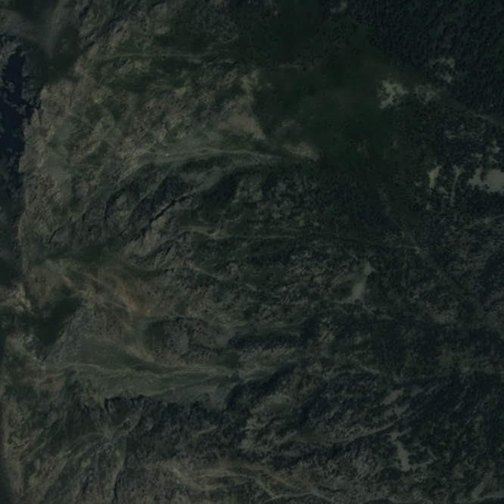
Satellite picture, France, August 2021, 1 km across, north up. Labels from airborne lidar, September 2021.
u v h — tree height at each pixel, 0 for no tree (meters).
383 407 10
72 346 0
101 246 0
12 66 0
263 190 6
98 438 0
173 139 0
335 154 0
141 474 0
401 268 9
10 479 0
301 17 0
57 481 0
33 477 0
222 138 0
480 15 12
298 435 0
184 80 0
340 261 7
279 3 0
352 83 0
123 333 0
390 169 0
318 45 0
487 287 6
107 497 0
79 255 0
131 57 0
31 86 0
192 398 0
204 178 0
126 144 0
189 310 0
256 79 0
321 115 0
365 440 6
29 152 0
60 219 0
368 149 0
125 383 0
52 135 0
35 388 0
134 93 0
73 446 0
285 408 0
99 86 0
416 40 10
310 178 7
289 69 0
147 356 0
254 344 7
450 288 8
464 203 0
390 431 6
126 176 0
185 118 0
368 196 6
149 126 0
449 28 10
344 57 0
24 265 0
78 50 0
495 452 8
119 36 0
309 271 9
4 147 0
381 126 0
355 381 7
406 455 0
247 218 0
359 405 9
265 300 8
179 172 0
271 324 0
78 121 0
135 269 0
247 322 0
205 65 0
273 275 7
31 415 0
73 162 0
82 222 0
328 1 8
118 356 0
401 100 0
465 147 7
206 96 0
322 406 6
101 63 0
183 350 0
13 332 0
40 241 0
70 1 0
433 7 11
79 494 0
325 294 0
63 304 0
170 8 0
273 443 6
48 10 0
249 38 0
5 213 0
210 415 7
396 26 9
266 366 0
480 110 6
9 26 0
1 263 0
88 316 0
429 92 0
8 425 0
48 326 0
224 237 0
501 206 6
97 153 0
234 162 0
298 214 7
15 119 0
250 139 0
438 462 6
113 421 0
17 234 0
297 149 0
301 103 0
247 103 0
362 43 0
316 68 0
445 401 9
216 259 0
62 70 0
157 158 0
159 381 0
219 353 6
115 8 0
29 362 0
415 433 7
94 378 0
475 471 7
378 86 0
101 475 0
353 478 7
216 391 0
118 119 0
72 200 0
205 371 0
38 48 0
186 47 0
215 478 0
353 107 0
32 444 0
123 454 0
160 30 0
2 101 0
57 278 0
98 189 0
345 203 7
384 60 0
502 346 6
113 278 0
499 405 7
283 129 0
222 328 0
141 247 0
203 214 0
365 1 8
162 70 0
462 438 9
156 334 0
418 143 9
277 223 7
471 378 12
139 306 0
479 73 7
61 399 0
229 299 0
